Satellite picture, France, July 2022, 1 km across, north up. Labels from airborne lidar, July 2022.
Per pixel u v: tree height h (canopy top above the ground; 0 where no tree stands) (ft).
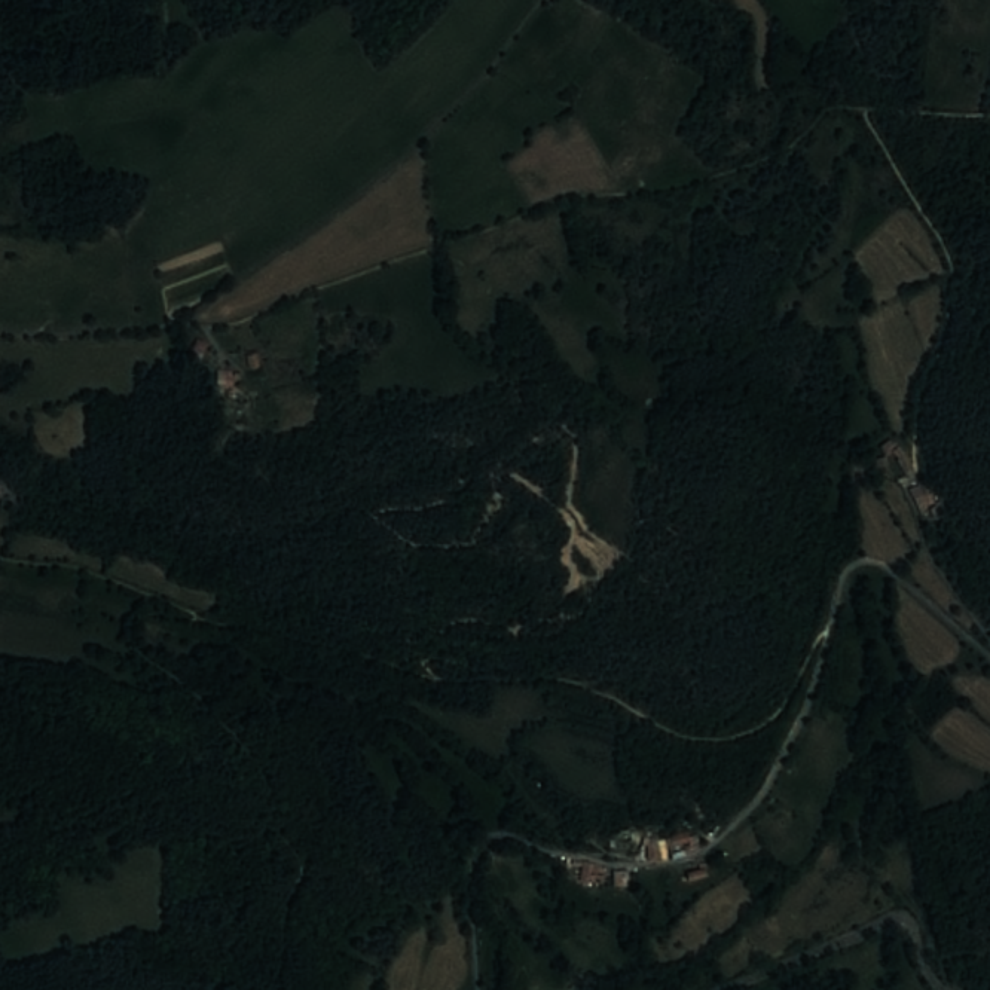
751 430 49
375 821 84
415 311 0
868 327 0
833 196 33
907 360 0
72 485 41
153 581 0
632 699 38
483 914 91
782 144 44
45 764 29
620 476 0
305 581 55
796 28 0
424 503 44
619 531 0
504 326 51
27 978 60
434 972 0
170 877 57
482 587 34
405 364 0
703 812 30
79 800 33
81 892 0
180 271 0
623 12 25
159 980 70
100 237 37
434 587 55
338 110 0
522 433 50
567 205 52
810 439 55
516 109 0
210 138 0
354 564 58
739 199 49
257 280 0
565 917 31
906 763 69
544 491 22
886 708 79
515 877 0
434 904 29
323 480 43
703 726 23
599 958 0
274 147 0
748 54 54
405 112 0
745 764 21
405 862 46
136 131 0
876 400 49
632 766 23
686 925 0
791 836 0
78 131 0
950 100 0
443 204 0
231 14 36
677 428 35
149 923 0
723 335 55
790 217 45
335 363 32
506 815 48
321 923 63
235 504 33
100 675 64
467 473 33
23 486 36
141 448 48
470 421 31
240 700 66
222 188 0
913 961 46
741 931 35
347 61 0
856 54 33
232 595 47
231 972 76
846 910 0
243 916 73
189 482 45
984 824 37
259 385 0
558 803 45
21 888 37
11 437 24
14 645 0
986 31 0
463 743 37
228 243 0
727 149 21
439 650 20
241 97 0
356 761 93
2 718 45
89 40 41
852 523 64
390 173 0
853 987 31
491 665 52
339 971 66
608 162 0
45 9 75
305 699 64
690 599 39
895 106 28
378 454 51
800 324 55
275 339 0
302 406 0
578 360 0
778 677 35
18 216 0
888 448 0
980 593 31
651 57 0
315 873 49
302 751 53
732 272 62
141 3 36
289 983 82
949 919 43
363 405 25
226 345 0
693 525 30
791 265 47
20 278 0
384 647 46
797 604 49
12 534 42
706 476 55
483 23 0
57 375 0
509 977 58
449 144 0
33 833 41
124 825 50
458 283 44
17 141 0
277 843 52
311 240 0
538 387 50
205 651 65
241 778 55
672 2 22
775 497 41
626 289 22
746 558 43
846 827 51
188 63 0
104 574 28
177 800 48
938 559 42
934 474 30
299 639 50
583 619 32
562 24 0
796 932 0
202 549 38
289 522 33
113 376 0
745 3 0
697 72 29
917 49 34
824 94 49
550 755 0
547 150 0
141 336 42
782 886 25
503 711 0
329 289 0
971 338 46
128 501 59
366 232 0
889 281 0
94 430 49
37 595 0
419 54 0
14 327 0
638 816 40
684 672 38
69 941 52
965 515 44
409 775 82
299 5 35
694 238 30
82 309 0
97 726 39
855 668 0
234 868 41
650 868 0
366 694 68
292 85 0
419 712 46
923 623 0
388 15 47
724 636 43
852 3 31
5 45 38
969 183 34
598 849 22
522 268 0
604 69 0
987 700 0
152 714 61
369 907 40
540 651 40
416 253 0
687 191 27
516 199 0
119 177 40
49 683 42
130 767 34
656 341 28
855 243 0
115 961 67
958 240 58
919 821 39
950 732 0
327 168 0
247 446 35
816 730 0
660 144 0
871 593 50
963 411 40
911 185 20
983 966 39
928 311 0
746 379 66
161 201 0
